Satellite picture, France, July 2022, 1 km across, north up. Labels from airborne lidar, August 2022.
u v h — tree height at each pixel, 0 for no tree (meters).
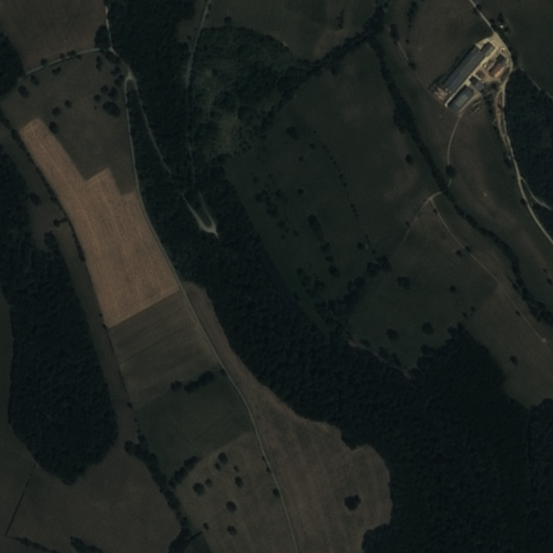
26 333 14
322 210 0
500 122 0
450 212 0
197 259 15
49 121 0
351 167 0
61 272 22
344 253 0
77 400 25
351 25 0
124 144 0
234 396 0
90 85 0
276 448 0
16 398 15
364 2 0
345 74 0
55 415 24
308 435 0
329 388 21
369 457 0
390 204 0
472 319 0
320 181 0
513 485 8
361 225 0
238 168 0
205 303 0
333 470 0
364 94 0
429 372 17
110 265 0
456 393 10
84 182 0
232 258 25
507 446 9
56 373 22
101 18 0
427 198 0
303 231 0
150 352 0
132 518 0
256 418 0
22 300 19
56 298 23
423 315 0
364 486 0
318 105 0
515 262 17
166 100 24
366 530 0
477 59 0
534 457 25
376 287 0
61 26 0
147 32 20
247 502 0
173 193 19
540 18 0
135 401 0
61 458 23
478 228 11
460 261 0
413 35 0
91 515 0
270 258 21
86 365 20
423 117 0
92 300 0
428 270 0
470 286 0
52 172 0
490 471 23
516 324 0
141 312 0
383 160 0
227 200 29
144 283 0
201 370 0
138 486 0
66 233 0
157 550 0
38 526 0
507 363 0
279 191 8
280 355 35
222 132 0
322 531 0
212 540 0
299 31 0
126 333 0
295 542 0
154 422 0
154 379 0
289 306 27
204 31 7
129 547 0
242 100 15
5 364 0
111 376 0
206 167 17
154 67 15
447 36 0
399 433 30
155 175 10
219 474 0
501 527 21
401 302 0
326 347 16
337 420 21
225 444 0
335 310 27
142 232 0
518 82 8
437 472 27
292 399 26
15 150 0
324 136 0
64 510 0
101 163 0
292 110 0
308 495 0
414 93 0
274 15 0
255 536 0
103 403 24
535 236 0
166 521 0
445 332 0
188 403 0
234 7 0
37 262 23
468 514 21
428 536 24
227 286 30
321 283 16
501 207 0
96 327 0
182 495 0
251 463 0
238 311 31
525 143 8
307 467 0
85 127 0
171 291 0
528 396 0
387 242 0
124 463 0
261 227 0
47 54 0
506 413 11
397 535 17
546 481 12
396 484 19
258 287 31
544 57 0
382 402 31
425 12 0
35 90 0
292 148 0
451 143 0
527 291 15
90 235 0
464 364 14
